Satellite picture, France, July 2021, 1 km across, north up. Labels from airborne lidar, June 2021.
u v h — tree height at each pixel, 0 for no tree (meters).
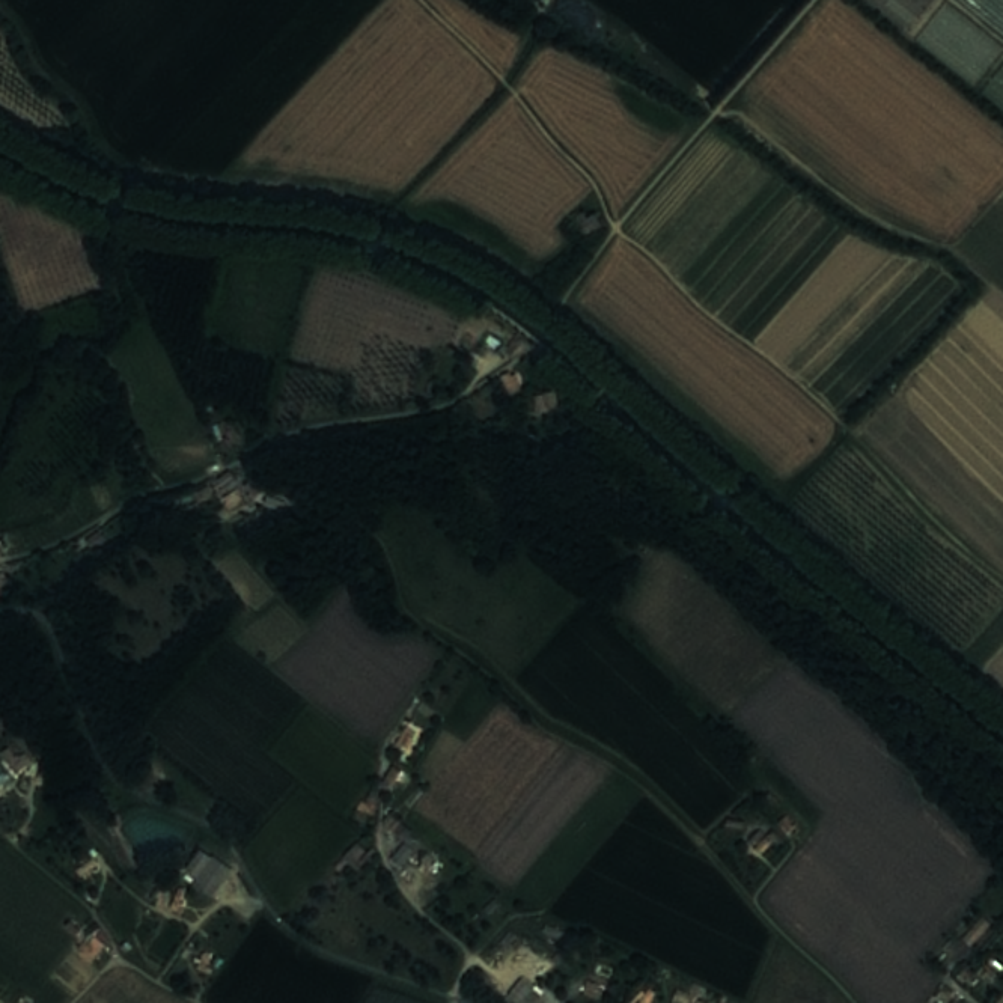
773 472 0
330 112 0
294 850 0
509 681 0
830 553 34
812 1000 0
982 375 0
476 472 10
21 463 0
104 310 16
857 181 0
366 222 32
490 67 0
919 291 0
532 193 0
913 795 0
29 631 20
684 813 0
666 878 0
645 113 0
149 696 18
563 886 0
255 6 0
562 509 19
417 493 17
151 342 0
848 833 0
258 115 0
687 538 9
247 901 0
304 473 16
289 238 29
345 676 0
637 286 0
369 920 0
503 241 0
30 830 0
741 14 0
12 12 0
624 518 12
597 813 0
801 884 0
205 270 29
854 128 0
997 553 0
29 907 0
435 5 0
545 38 18
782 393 0
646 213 0
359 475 16
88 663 18
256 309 0
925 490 0
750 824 0
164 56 0
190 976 11
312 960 0
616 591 14
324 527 24
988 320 0
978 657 0
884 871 0
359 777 0
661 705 0
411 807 0
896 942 0
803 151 0
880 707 15
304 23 0
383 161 0
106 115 0
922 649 35
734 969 0
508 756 0
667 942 0
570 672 0
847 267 0
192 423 0
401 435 8
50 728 15
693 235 0
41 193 37
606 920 0
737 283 0
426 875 0
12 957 0
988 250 0
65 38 0
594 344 30
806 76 0
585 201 0
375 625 15
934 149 0
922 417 0
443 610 0
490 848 0
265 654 5
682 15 0
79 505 0
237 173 0
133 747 18
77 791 21
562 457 23
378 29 0
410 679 0
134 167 0
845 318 0
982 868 0
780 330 0
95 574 14
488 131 0
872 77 0
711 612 0
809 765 0
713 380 0
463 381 8
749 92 0
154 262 22
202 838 0
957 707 35
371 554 10
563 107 0
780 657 0
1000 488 0
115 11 0
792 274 0
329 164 0
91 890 7
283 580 17
